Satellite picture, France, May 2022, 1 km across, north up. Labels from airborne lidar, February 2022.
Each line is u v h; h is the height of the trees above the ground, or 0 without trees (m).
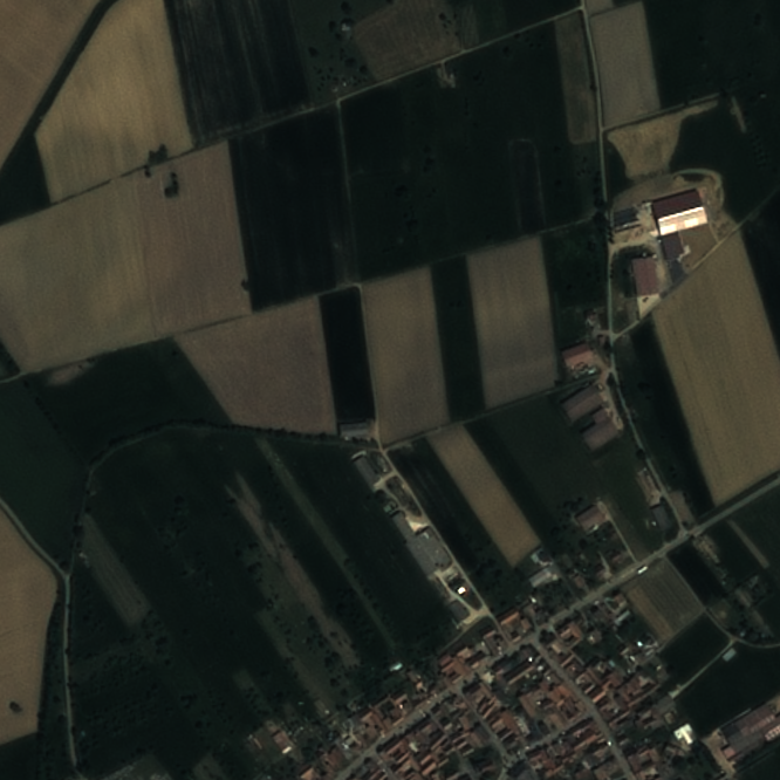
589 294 0
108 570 0
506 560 0
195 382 0
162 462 0
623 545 0
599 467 0
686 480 0
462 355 0
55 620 9
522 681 0
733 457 0
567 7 0
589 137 0
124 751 0
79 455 0
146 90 0
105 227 0
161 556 0
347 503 0
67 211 0
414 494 0
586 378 0
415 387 0
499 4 0
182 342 0
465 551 0
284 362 0
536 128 0
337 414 0
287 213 0
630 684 0
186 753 0
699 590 0
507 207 0
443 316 0
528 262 0
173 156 0
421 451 0
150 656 0
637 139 0
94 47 0
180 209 0
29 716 0
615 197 0
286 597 0
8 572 0
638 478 0
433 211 0
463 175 0
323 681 0
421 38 0
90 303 0
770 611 0
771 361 0
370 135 0
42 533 0
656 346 0
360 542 0
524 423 0
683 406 0
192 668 0
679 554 0
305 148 0
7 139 0
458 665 0
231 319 0
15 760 0
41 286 0
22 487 0
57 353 0
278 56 0
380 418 0
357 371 0
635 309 0
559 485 0
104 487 0
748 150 0
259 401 0
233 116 0
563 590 6
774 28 0
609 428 0
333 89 0
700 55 0
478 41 0
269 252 0
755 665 0
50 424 0
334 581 0
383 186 0
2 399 0
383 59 0
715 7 0
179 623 0
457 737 0
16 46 0
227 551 0
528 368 0
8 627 0
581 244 0
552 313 0
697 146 0
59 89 0
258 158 0
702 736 0
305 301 0
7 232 0
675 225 0
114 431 0
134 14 0
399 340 0
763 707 0
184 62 0
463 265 0
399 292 0
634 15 0
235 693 0
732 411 0
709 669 0
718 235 0
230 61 0
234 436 0
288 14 0
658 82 0
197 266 0
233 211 0
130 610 0
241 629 0
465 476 0
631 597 0
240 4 0
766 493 0
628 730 0
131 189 0
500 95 0
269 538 0
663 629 0
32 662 0
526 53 0
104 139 0
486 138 0
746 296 0
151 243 0
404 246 0
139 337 0
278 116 0
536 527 0
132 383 0
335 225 0
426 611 0
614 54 0
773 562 0
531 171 0
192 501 0
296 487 0
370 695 11
